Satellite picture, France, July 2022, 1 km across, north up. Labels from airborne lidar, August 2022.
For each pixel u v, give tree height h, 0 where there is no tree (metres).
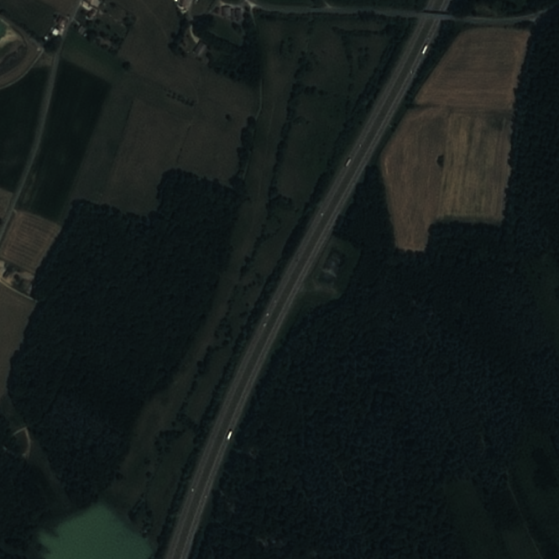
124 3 0
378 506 26
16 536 8
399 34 9
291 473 18
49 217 0
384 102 0
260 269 0
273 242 0
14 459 23
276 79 0
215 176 0
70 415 27
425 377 32
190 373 0
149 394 18
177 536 0
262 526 25
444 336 24
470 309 24
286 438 13
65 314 23
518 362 26
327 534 16
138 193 0
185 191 22
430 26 0
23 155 0
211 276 21
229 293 0
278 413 20
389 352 30
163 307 19
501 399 24
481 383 23
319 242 0
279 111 0
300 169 0
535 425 21
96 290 21
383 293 27
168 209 16
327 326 20
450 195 0
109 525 0
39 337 21
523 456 6
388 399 28
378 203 17
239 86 0
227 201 20
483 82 0
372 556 30
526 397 22
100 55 0
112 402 29
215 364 0
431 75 0
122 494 0
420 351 33
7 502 24
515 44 0
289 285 0
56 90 0
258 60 20
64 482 23
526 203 27
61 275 15
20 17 0
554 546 6
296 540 20
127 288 22
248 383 0
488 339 27
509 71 0
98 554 0
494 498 9
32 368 20
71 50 0
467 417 25
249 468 27
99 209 16
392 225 10
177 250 21
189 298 27
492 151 0
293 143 0
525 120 14
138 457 0
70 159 0
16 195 0
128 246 23
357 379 14
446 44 12
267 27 0
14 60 0
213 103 0
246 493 30
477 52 0
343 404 23
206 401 0
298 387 20
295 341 24
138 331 17
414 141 0
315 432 37
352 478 23
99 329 24
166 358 26
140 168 0
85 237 24
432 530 19
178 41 14
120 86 0
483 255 26
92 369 19
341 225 11
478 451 20
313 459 37
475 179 0
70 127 0
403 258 21
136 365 24
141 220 7
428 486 22
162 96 0
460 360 28
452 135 0
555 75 28
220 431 0
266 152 0
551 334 7
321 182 11
